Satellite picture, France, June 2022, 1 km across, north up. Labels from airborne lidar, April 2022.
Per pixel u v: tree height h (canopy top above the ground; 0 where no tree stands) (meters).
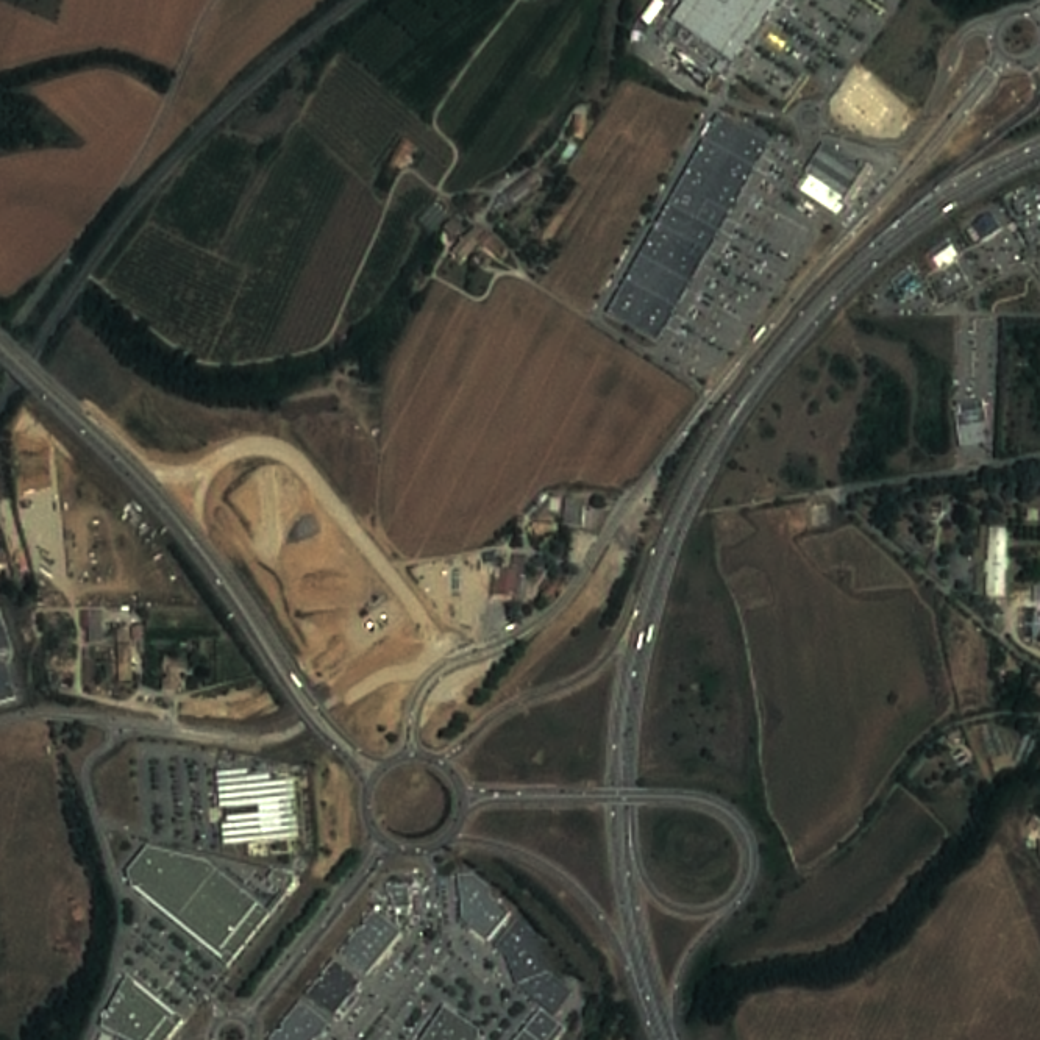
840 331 0
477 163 0
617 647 0
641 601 0
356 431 0
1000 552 0
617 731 0
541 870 0
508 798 0
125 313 15
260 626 0
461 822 0
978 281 0
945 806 0
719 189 0
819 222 0
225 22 0
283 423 0
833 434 0
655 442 0
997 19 0
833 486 9
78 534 0
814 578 0
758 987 8
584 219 0
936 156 0
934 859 9
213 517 0
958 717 10
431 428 0
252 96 0
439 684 0
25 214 0
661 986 0
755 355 0
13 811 0
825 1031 0
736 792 0
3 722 0
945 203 0
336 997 0
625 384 0
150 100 0
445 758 0
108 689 0
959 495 13
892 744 0
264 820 0
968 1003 0
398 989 0
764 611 0
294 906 0
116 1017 0
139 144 0
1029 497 15
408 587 0
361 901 0
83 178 0
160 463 0
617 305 0
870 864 0
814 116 0
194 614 0
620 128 0
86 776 0
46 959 0
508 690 0
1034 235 0
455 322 0
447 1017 0
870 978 0
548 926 0
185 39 0
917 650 0
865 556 0
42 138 7
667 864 0
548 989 0
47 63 6
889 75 0
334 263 0
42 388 0
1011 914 0
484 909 0
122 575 0
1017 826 0
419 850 0
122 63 7
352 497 0
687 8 0
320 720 0
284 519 0
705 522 0
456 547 0
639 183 0
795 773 0
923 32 0
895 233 0
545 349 0
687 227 0
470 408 0
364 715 0
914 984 0
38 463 0
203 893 0
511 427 0
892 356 0
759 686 0
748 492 0
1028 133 9
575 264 0
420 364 0
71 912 0
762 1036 0
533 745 0
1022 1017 0
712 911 0
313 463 0
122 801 0
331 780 0
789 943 0
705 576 0
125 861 0
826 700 0
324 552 0
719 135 0
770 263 0
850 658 0
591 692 0
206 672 8
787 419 0
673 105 0
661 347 0
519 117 0
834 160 0
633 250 0
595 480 0
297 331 0
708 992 14
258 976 16
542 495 0
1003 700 7
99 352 0
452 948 0
